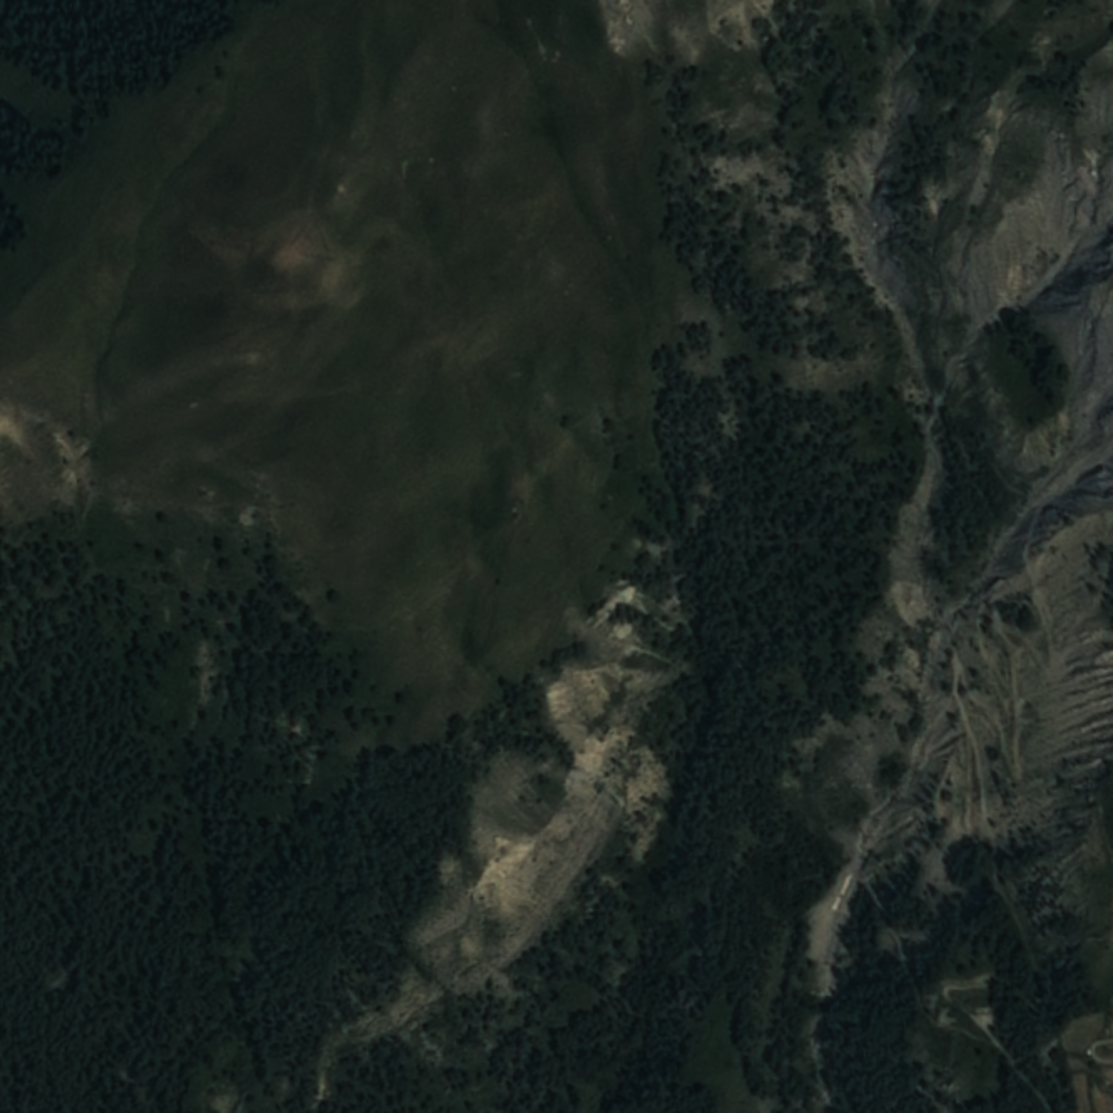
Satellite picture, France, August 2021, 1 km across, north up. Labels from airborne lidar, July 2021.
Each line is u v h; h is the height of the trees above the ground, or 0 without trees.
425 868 18
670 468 12
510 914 0
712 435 16
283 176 0
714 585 20
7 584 21
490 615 0
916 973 15
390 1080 14
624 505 0
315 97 0
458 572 0
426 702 0
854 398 14
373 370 0
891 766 8
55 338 0
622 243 0
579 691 0
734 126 0
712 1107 10
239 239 0
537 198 0
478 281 0
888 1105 14
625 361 0
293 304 0
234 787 19
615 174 0
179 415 0
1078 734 0
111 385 0
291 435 0
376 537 0
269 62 0
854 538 9
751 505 7
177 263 0
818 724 11
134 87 12
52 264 0
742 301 14
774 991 0
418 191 0
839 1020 21
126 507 0
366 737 0
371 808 28
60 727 22
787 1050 21
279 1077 7
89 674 24
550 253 0
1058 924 12
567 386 0
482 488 0
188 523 0
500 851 0
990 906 14
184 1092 25
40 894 33
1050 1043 0
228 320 0
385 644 0
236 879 22
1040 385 18
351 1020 14
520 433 0
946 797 10
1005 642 0
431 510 0
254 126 0
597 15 0
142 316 0
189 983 31
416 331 0
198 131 0
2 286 0
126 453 0
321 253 0
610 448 0
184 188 0
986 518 19
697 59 0
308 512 0
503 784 0
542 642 0
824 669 19
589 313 0
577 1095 26
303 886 32
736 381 9
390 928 14
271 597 16
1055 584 0
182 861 27
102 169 0
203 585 0
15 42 16
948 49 12
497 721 17
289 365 0
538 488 0
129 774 26
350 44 0
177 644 16
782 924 6
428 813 25
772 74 13
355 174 0
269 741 8
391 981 13
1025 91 0
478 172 0
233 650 0
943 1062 0
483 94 0
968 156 0
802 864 10
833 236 9
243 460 0
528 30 0
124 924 22
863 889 11
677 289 0
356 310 0
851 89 8
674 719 16
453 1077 17
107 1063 7
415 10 0
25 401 0
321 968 27
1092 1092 0
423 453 0
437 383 0
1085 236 0
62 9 23
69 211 0
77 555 14
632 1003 17
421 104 0
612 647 0
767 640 16
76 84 14
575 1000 0
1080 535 0
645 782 0
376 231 0
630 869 9
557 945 20
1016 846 11
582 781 0
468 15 0
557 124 0
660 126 0
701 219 17
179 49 11
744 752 30
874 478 18
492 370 0
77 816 29
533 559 0
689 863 25
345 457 0
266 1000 22
